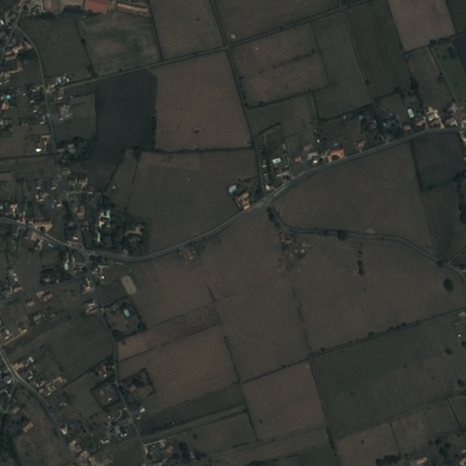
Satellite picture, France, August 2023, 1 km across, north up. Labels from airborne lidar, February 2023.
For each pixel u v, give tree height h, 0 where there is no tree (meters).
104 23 0
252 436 0
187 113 0
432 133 0
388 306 0
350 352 0
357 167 0
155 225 0
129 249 10
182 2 0
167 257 0
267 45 0
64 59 0
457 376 0
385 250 0
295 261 0
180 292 0
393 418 0
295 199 0
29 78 0
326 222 0
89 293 0
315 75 0
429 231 0
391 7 0
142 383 9
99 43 0
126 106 0
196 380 0
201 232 0
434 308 0
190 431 0
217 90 0
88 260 0
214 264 0
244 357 0
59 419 0
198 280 0
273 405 0
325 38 0
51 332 0
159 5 0
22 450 0
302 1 0
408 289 0
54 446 0
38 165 0
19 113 0
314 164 0
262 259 0
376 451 0
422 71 0
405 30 0
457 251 0
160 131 0
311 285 0
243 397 0
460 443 0
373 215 0
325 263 0
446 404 0
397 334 0
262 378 0
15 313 0
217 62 0
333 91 0
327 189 0
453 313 0
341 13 0
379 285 0
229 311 0
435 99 0
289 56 0
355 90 0
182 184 0
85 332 0
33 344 0
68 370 0
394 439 0
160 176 0
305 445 0
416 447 0
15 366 0
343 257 0
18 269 0
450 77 0
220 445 0
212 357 0
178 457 10
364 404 0
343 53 0
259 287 0
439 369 0
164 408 0
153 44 0
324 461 0
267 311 0
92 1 0
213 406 0
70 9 0
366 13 0
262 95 0
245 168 0
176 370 0
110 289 0
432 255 0
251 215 0
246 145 0
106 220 0
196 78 0
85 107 0
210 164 0
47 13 6
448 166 0
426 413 0
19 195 0
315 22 0
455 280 0
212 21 0
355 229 0
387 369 0
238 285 0
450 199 0
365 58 0
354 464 0
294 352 0
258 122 0
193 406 0
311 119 0
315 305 0
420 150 0
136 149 10
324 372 0
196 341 0
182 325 0
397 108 0
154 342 0
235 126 0
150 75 0
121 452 0
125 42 0
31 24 0
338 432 0
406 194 0
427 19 0
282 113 0
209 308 0
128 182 0
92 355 0
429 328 0
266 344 0
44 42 0
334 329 0
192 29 0
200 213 0
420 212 0
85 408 0
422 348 0
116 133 0
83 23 0
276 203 0
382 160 0
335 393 0
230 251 0
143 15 0
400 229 0
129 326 7
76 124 0
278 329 0
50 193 0
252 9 0
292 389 0
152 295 0
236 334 0
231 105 0
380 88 0
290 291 0
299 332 0
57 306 0
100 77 0
